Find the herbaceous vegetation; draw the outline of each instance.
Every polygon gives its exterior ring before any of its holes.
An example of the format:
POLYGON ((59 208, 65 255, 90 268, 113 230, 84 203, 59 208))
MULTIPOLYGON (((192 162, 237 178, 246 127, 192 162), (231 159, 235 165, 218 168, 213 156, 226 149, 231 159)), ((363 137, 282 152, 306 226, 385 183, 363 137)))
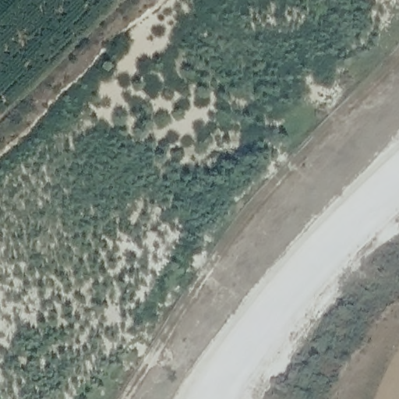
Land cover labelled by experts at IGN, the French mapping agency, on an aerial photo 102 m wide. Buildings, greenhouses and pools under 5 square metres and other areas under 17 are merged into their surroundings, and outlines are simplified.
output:
POLYGON ((252 179, 242 192, 234 196, 235 204, 229 207, 228 214, 218 217, 214 226, 204 232, 201 252, 193 256, 196 279, 192 285, 189 288, 179 285, 168 288, 165 301, 156 305, 156 321, 145 321, 143 324, 132 321, 129 327, 132 343, 142 343, 153 349, 156 341, 161 340, 170 349, 175 360, 187 360, 176 371, 171 366, 148 366, 142 362, 137 349, 117 346, 112 349, 111 354, 104 355, 101 340, 87 338, 83 348, 78 349, 79 362, 73 363, 72 368, 65 369, 65 377, 69 379, 78 377, 78 374, 86 376, 87 369, 92 371, 90 380, 86 383, 86 387, 90 387, 87 399, 175 399, 181 383, 189 376, 198 358, 206 351, 210 341, 217 337, 221 327, 237 312, 251 288, 262 279, 263 274, 267 273, 268 268, 274 265, 277 259, 284 256, 290 243, 301 234, 310 218, 313 215, 320 215, 332 199, 340 196, 344 187, 351 184, 376 159, 377 154, 388 147, 388 143, 399 132, 399 0, 376 0, 371 11, 371 23, 360 37, 360 44, 366 45, 368 50, 344 61, 340 59, 334 73, 334 84, 341 87, 343 94, 338 98, 334 108, 326 108, 326 111, 320 111, 310 101, 310 92, 302 97, 304 101, 293 111, 285 112, 277 120, 263 120, 265 126, 284 126, 287 129, 287 134, 281 140, 282 151, 285 154, 273 157, 267 171, 252 179))
POLYGON ((366 287, 373 282, 393 284, 394 277, 399 276, 399 234, 391 238, 390 242, 380 245, 371 256, 362 259, 357 270, 346 268, 343 271, 338 277, 341 296, 352 295, 354 287, 360 282, 366 287))
POLYGON ((368 334, 373 341, 360 344, 352 352, 351 357, 344 360, 338 380, 330 388, 330 399, 374 399, 391 358, 399 351, 399 301, 388 305, 374 321, 373 326, 369 327, 368 334))
POLYGON ((48 111, 51 104, 59 100, 65 90, 75 86, 79 79, 89 72, 90 67, 94 67, 95 62, 106 51, 106 41, 112 39, 115 34, 125 33, 123 28, 131 20, 142 16, 156 0, 125 0, 112 12, 111 17, 101 20, 94 34, 81 39, 69 58, 64 59, 30 95, 34 98, 36 106, 34 112, 41 112, 42 109, 48 111))
POLYGON ((0 399, 20 399, 17 373, 14 369, 2 369, 5 358, 0 352, 0 399))

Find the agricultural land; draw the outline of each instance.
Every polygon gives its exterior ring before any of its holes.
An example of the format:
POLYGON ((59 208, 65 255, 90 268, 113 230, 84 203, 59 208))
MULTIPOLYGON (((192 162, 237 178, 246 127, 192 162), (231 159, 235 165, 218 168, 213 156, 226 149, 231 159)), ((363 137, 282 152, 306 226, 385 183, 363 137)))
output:
POLYGON ((125 0, 0 0, 0 118, 8 114, 20 100, 30 95, 64 59, 69 58, 81 39, 94 34, 101 20, 111 17, 112 12, 125 0))

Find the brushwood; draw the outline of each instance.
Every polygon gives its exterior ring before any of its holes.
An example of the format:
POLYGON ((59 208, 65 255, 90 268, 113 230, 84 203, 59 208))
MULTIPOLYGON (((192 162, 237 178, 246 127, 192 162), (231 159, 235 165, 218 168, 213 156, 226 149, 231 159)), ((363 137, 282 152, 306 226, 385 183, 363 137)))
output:
POLYGON ((65 377, 65 369, 72 368, 73 363, 79 362, 78 349, 83 348, 87 338, 101 340, 108 337, 112 340, 117 335, 117 326, 108 326, 104 315, 104 309, 108 307, 104 299, 106 291, 109 298, 114 299, 112 282, 118 282, 118 287, 122 291, 118 305, 120 316, 131 316, 132 321, 143 324, 145 321, 156 321, 156 305, 165 301, 168 288, 179 285, 189 288, 192 285, 196 279, 193 256, 201 252, 204 232, 214 226, 218 217, 228 214, 229 207, 235 204, 234 196, 242 192, 252 179, 267 171, 273 157, 285 154, 282 151, 281 140, 287 134, 287 129, 284 126, 265 126, 263 120, 277 120, 285 112, 293 111, 304 101, 302 97, 310 92, 305 84, 305 76, 312 75, 315 83, 320 86, 330 87, 334 84, 334 73, 340 59, 344 61, 368 50, 366 45, 360 44, 360 37, 371 23, 371 11, 376 0, 184 0, 189 5, 189 12, 182 11, 181 5, 175 3, 176 26, 171 30, 170 42, 165 50, 157 51, 153 56, 140 56, 134 75, 122 73, 118 76, 120 86, 134 86, 147 92, 143 100, 129 92, 123 94, 123 98, 131 106, 132 115, 136 118, 131 136, 126 131, 126 114, 122 106, 117 106, 112 112, 114 126, 109 126, 106 120, 98 117, 89 108, 89 104, 106 108, 111 103, 108 97, 98 95, 98 89, 100 83, 112 78, 112 73, 117 69, 117 62, 131 47, 131 36, 125 33, 115 34, 112 39, 106 41, 106 51, 95 62, 94 67, 90 67, 89 72, 79 79, 75 86, 65 90, 59 100, 51 104, 48 111, 28 136, 23 137, 16 147, 12 147, 5 156, 0 157, 0 245, 5 243, 3 256, 6 262, 14 265, 14 276, 22 281, 20 290, 6 291, 5 298, 9 302, 19 302, 30 288, 37 287, 37 295, 41 301, 36 326, 23 323, 17 327, 8 348, 0 346, 0 352, 5 358, 2 369, 14 369, 17 373, 20 399, 87 399, 90 387, 86 387, 86 383, 90 380, 92 371, 87 369, 86 376, 78 374, 78 377, 69 379, 65 377), (154 137, 153 128, 162 128, 171 120, 181 120, 184 117, 185 111, 189 109, 190 84, 196 84, 195 106, 198 108, 204 108, 209 104, 209 92, 215 92, 217 97, 217 109, 209 112, 209 122, 196 120, 193 123, 196 132, 195 150, 198 153, 206 150, 210 143, 210 134, 215 129, 221 129, 223 134, 228 136, 229 131, 240 132, 238 148, 210 153, 212 159, 217 161, 210 167, 201 164, 182 165, 184 150, 179 147, 171 150, 171 159, 165 156, 168 143, 176 142, 178 132, 170 131, 162 139, 154 137), (170 100, 175 92, 179 92, 181 98, 171 111, 153 111, 151 103, 154 98, 170 100), (145 301, 139 301, 136 293, 145 282, 145 279, 140 279, 139 273, 147 273, 148 268, 148 246, 143 240, 147 238, 148 232, 154 232, 157 237, 165 237, 167 234, 161 231, 164 223, 170 226, 171 231, 179 232, 179 240, 175 243, 175 251, 168 259, 167 265, 162 268, 161 276, 154 281, 150 293, 145 295, 145 301), (111 238, 117 238, 117 231, 125 232, 131 237, 132 242, 142 251, 142 256, 136 256, 136 252, 126 251, 125 268, 111 276, 108 270, 114 268, 117 263, 115 256, 118 246, 109 248, 106 240, 101 237, 109 235, 111 238), (62 298, 59 287, 51 281, 50 274, 56 274, 64 284, 65 291, 70 291, 72 284, 64 271, 65 265, 73 268, 79 285, 83 285, 87 279, 94 281, 90 287, 90 307, 84 302, 83 293, 75 291, 78 310, 73 312, 70 301, 62 298))
POLYGON ((20 100, 8 114, 0 118, 0 150, 9 140, 16 139, 19 131, 30 125, 25 117, 26 114, 34 112, 36 106, 34 98, 30 95, 20 100))
POLYGON ((394 277, 393 284, 373 282, 366 287, 360 282, 354 287, 352 295, 341 296, 323 313, 312 334, 302 340, 301 348, 291 355, 291 362, 284 373, 271 377, 271 388, 263 399, 330 399, 330 388, 338 380, 344 360, 351 357, 352 352, 360 344, 373 341, 368 334, 369 327, 373 326, 374 321, 388 305, 399 301, 399 276, 394 277))

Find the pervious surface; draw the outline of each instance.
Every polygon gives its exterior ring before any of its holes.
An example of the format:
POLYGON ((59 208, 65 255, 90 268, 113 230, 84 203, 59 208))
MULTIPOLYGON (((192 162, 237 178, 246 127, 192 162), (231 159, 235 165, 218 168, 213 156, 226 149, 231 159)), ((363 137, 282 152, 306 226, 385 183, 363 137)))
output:
POLYGON ((154 98, 151 103, 153 111, 171 111, 181 98, 179 92, 175 92, 170 100, 154 98))
POLYGON ((108 270, 111 276, 125 268, 126 251, 136 252, 136 256, 142 256, 142 251, 132 242, 131 237, 125 232, 117 231, 117 238, 111 238, 109 235, 101 237, 106 240, 109 248, 118 246, 115 256, 117 263, 114 268, 108 270))
POLYGON ((89 108, 98 117, 106 120, 109 126, 114 126, 112 112, 117 106, 122 106, 126 114, 126 131, 131 136, 136 118, 132 115, 131 106, 123 98, 123 94, 129 92, 143 100, 147 92, 134 86, 120 86, 118 76, 122 73, 134 75, 140 56, 153 56, 157 51, 165 50, 170 42, 171 30, 176 26, 175 3, 181 5, 182 11, 189 12, 189 5, 184 0, 156 0, 142 16, 131 20, 123 28, 125 33, 131 36, 131 47, 117 62, 117 69, 112 73, 112 78, 100 83, 98 89, 98 95, 108 97, 111 103, 106 108, 89 104, 89 108))
POLYGON ((148 366, 171 366, 176 371, 187 360, 175 360, 170 349, 161 340, 156 341, 153 349, 142 343, 132 343, 129 327, 132 321, 131 316, 120 316, 118 305, 122 291, 118 287, 118 282, 112 282, 114 299, 109 298, 106 291, 104 299, 108 307, 104 309, 104 315, 108 326, 117 326, 117 335, 112 340, 108 337, 101 340, 104 355, 111 354, 112 349, 117 346, 137 349, 142 362, 148 366))
POLYGON ((34 112, 26 114, 25 117, 30 125, 19 131, 16 139, 9 140, 0 150, 0 157, 5 156, 12 147, 16 147, 23 137, 28 136, 48 111, 42 109, 41 112, 34 112))
POLYGON ((148 232, 147 238, 143 240, 148 246, 148 268, 147 273, 139 273, 140 279, 145 279, 145 282, 136 293, 139 301, 145 301, 145 295, 150 293, 154 281, 161 276, 162 268, 167 265, 168 259, 175 251, 175 243, 179 240, 179 232, 171 231, 170 226, 164 223, 161 231, 167 234, 165 237, 157 237, 154 232, 148 232))
POLYGON ((56 274, 50 274, 51 281, 59 287, 62 298, 70 301, 73 312, 78 310, 75 291, 83 293, 84 302, 90 307, 90 287, 94 281, 87 279, 83 285, 79 285, 73 268, 65 265, 64 271, 72 284, 70 291, 65 291, 64 284, 56 274))
POLYGON ((30 288, 19 302, 9 302, 5 298, 6 291, 20 290, 22 281, 14 276, 14 265, 6 262, 3 256, 5 243, 0 245, 0 346, 8 348, 17 327, 23 323, 36 326, 41 301, 37 295, 37 287, 30 288))
POLYGON ((343 271, 346 268, 357 270, 362 259, 371 256, 380 245, 390 242, 391 238, 399 234, 399 132, 388 143, 388 147, 377 154, 376 159, 351 184, 344 187, 340 196, 332 199, 320 215, 313 215, 310 218, 301 234, 290 243, 284 256, 277 259, 274 265, 268 268, 267 273, 263 274, 262 279, 251 288, 237 312, 221 327, 217 337, 210 341, 206 351, 198 358, 189 376, 181 383, 175 399, 263 399, 271 388, 271 377, 284 373, 291 362, 291 355, 301 348, 302 340, 312 334, 323 313, 341 296, 338 277, 343 271))
POLYGON ((312 75, 305 76, 305 84, 310 92, 310 101, 320 111, 326 111, 326 108, 334 108, 338 98, 343 94, 341 87, 334 84, 330 87, 320 86, 315 83, 312 75))
POLYGON ((181 120, 171 120, 162 128, 153 128, 154 137, 162 139, 170 131, 178 132, 176 142, 168 143, 165 156, 171 159, 171 150, 179 147, 184 150, 182 165, 201 164, 210 167, 217 161, 212 159, 210 153, 238 148, 240 132, 229 131, 228 136, 223 134, 221 129, 215 129, 210 134, 210 143, 206 150, 198 153, 195 150, 196 132, 193 123, 196 120, 209 122, 209 112, 217 109, 217 97, 215 92, 209 92, 209 104, 204 108, 198 108, 195 106, 196 84, 190 84, 189 109, 185 111, 184 117, 181 120))

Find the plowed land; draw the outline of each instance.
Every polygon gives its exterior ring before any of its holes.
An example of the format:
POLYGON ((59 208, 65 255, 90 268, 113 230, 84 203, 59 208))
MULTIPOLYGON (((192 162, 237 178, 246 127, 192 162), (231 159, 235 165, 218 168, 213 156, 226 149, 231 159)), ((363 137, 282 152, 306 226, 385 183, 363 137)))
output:
POLYGON ((391 358, 374 399, 399 399, 399 351, 391 358))

